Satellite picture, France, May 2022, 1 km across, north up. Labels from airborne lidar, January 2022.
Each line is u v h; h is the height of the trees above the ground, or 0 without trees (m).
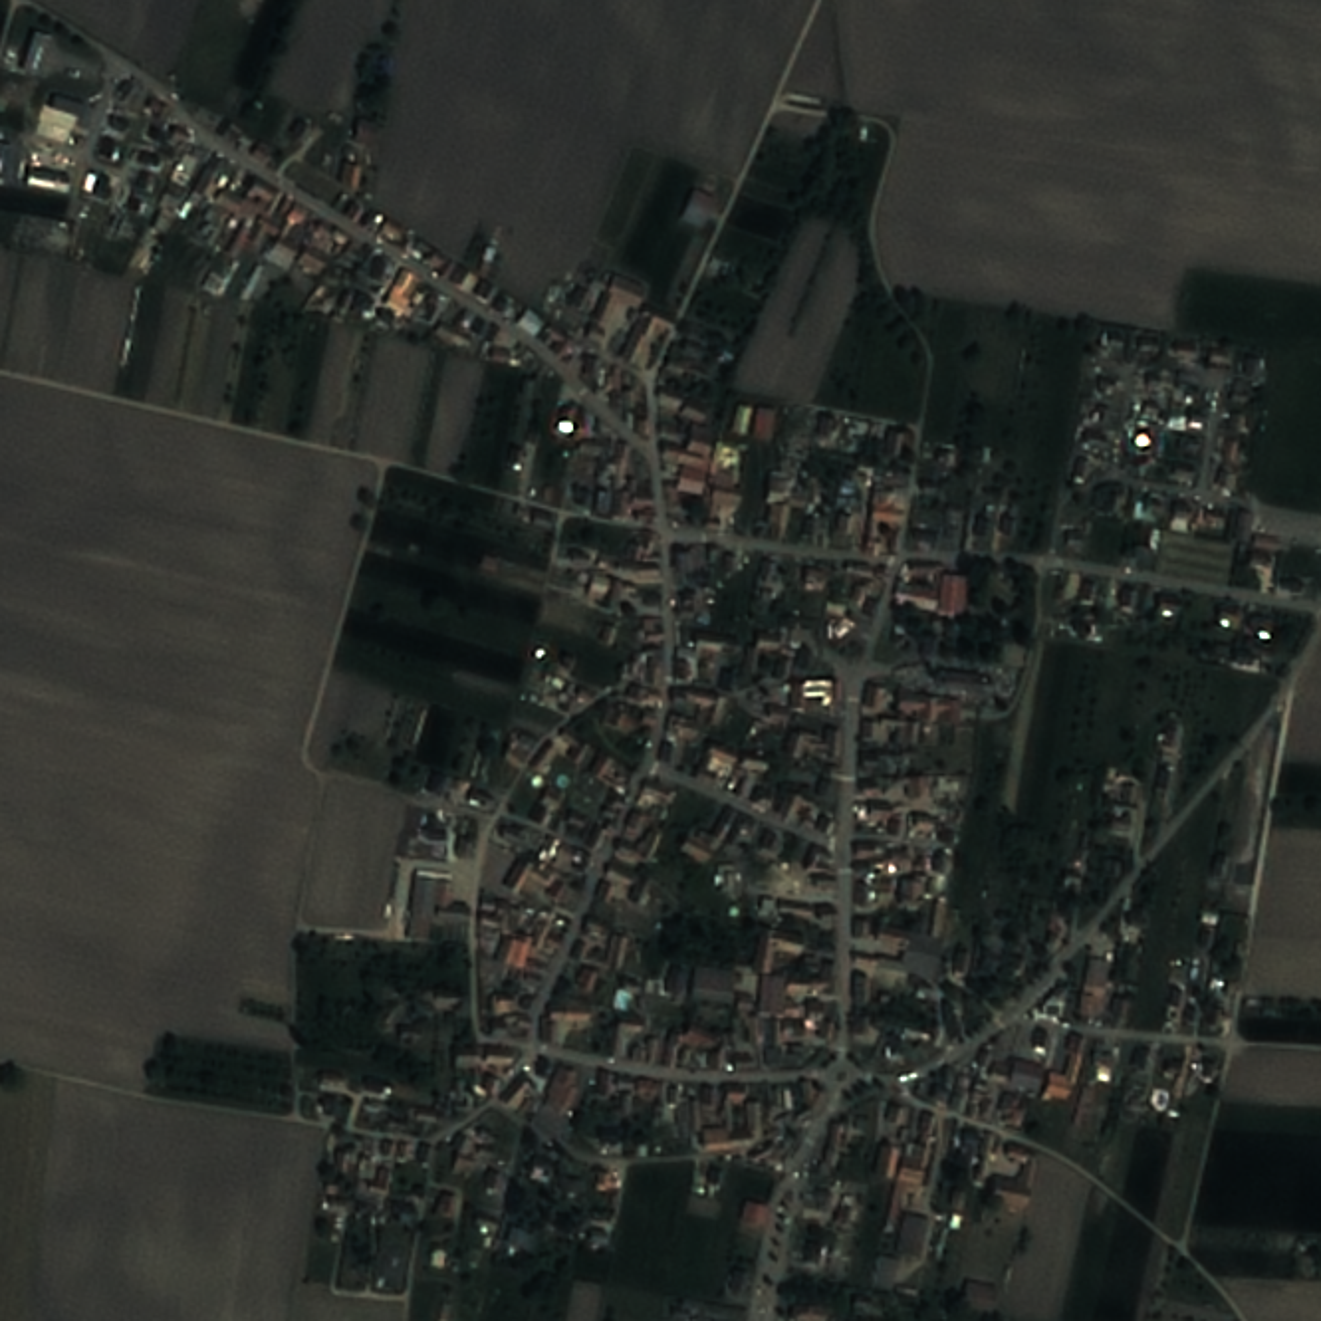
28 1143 0
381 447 0
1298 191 0
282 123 0
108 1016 0
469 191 0
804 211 8
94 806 0
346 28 0
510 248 0
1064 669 0
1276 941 0
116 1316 0
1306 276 0
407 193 0
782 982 0
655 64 0
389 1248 0
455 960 15
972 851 0
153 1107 0
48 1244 0
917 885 0
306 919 0
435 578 0
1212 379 0
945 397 0
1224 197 0
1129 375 0
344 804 0
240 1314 0
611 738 0
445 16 0
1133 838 0
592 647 0
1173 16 0
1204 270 0
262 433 0
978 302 0
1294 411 0
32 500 0
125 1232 0
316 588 0
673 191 0
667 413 0
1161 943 0
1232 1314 0
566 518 0
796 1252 0
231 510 0
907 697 0
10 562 0
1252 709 0
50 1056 0
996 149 0
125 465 0
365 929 0
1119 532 0
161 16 0
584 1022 0
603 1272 0
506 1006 0
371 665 0
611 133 0
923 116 0
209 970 0
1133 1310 0
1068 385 0
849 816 0
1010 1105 0
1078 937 0
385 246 0
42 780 0
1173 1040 0
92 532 0
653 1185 0
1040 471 0
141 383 0
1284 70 0
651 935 0
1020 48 0
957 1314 14
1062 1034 0
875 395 0
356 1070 0
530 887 0
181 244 0
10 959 0
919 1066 0
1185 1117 0
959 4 0
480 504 0
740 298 0
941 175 0
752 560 0
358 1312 0
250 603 0
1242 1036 0
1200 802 0
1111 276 0
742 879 0
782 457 6
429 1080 10
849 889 0
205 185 0
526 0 0
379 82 14
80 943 0
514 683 0
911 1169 0
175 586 0
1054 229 0
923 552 0
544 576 0
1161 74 0
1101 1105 0
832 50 0
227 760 0
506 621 0
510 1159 0
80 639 0
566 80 0
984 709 0
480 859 0
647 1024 0
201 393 0
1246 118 0
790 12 0
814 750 0
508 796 0
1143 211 0
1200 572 0
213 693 0
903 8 0
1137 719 0
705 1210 0
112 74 0
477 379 0
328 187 0
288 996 0
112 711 0
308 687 0
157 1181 0
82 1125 0
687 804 0
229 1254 0
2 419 0
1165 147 0
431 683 0
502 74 0
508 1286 0
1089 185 0
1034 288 0
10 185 0
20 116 0
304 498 0
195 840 0
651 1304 0
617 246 0
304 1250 0
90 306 0
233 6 0
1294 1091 0
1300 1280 0
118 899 0
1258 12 0
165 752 0
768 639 0
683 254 0
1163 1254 0
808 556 0
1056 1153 0
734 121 0
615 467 0
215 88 0
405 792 0
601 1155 0
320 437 0
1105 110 0
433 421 0
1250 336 0
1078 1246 0
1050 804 0
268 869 0
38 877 0
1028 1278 0
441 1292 0
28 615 0
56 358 0
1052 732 0
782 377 0
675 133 0
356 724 0
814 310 0
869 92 0
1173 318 0
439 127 0
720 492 0
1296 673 0
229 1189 0
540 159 0
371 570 0
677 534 0
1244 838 0
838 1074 0
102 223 0
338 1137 10
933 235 0
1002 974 9
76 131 0
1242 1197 0
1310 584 0
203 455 0
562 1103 0
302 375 0
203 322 0
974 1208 0
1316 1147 0
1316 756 0
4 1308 0
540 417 7
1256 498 0
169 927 0
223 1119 0
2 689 0
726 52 0
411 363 0
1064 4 0
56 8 0
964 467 8
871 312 6
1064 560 0
